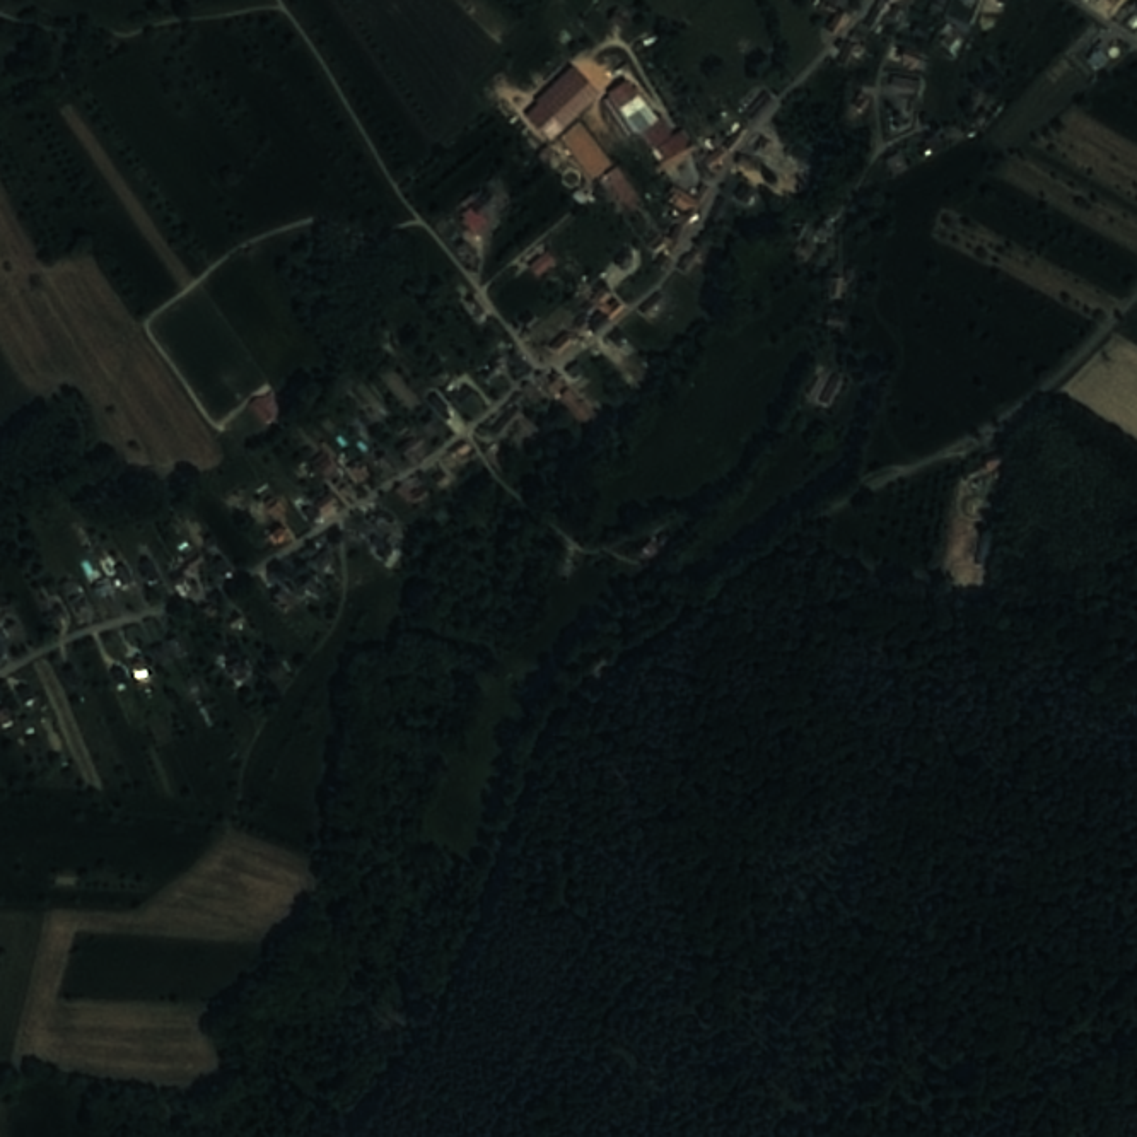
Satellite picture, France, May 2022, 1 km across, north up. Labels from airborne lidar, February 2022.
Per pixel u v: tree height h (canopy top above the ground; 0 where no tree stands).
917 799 31
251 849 0
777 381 0
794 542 30
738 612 28
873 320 0
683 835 26
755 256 0
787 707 26
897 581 29
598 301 0
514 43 0
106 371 0
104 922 0
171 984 0
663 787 28
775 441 17
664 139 0
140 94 0
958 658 29
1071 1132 23
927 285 0
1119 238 0
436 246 0
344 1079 25
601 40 0
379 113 0
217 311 0
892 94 0
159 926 0
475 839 0
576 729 30
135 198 0
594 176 0
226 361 0
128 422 0
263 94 0
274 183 0
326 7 0
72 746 0
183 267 0
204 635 8
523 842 26
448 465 0
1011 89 0
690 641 27
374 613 0
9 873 0
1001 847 31
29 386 0
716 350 0
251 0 0
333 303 21
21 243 0
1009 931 28
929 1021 29
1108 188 0
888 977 30
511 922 26
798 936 29
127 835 0
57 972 0
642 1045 31
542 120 0
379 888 32
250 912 0
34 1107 0
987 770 29
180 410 0
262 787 0
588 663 14
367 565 0
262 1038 22
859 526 0
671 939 27
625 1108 25
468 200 0
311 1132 23
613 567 9
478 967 26
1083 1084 27
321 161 0
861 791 30
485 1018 26
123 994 0
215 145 0
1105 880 29
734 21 0
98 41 19
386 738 29
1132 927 27
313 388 19
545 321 0
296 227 0
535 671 0
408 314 0
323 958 32
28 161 0
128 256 0
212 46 0
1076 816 29
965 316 0
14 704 7
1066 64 0
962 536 0
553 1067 26
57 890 0
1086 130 0
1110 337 0
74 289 0
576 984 33
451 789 0
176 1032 0
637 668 29
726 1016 25
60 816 0
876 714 30
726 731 29
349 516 0
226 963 0
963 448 0
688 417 0
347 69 0
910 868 26
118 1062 0
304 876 0
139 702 0
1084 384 0
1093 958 30
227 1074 16
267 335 0
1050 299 0
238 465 0
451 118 0
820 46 0
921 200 0
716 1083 29
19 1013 0
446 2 0
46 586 11
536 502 25
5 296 0
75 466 29
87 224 0
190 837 0
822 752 28
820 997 28
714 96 0
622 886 23
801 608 22
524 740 23
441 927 27
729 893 29
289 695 0
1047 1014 28
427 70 0
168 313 0
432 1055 29
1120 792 29
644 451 0
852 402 0
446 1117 27
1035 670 29
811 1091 27
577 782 24
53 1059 0
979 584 0
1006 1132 28
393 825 29
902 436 0
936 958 31
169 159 0
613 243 0
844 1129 23
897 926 27
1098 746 30
